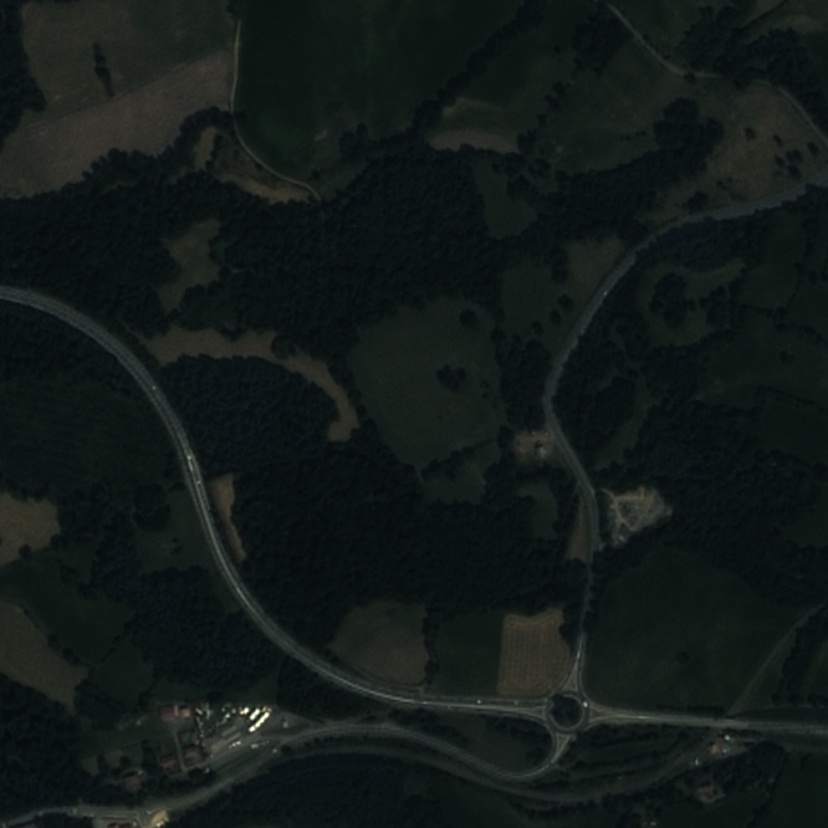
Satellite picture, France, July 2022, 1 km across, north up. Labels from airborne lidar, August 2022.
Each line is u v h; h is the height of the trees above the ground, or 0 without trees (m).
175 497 0
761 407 8
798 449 0
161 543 0
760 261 17
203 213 17
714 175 0
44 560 0
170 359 0
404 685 0
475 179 19
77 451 0
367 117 0
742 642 0
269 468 21
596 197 11
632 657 0
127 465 0
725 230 13
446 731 7
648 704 0
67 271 17
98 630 0
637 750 0
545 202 18
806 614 0
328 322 20
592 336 15
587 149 0
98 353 16
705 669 0
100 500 19
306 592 23
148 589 23
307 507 23
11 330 22
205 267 0
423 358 0
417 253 18
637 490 0
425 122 24
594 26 18
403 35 0
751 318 0
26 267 20
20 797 18
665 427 22
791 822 0
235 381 21
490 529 23
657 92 0
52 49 0
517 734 15
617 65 0
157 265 21
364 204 24
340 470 26
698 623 0
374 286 20
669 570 0
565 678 0
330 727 0
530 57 0
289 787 24
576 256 0
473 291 19
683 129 20
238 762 0
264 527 23
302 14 0
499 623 0
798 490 20
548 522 0
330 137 0
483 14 0
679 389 18
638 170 11
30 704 22
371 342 0
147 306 20
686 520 22
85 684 13
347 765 26
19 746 27
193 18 0
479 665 0
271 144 0
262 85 0
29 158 0
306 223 23
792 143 0
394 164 22
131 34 0
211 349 0
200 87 0
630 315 13
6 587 0
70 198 22
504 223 0
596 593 14
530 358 22
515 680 0
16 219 29
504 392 15
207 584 19
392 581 23
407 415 0
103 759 10
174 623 22
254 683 16
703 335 0
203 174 13
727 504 17
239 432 28
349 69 0
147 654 18
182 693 0
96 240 24
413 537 24
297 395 21
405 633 0
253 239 17
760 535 23
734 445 15
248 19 0
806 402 6
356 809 14
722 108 0
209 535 0
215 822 14
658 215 0
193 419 25
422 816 18
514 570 19
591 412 15
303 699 10
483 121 0
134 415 0
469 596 16
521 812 12
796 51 13
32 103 18
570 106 0
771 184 0
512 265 15
